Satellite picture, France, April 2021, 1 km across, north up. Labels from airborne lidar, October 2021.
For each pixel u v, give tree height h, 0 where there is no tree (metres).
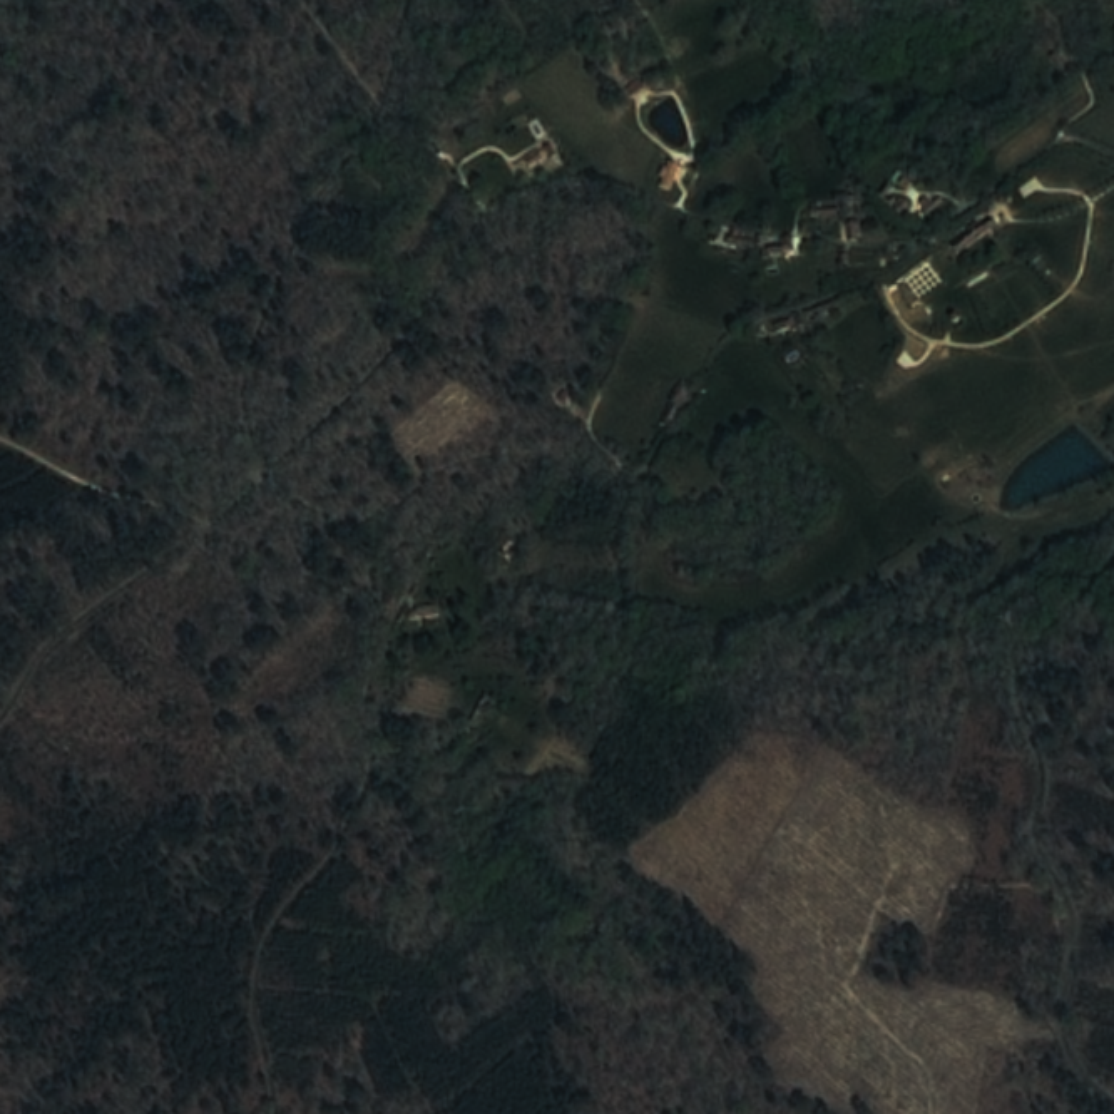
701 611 10
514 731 0
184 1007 17
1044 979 21
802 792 0
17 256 30
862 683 15
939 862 0
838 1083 0
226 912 15
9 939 10
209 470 22
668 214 0
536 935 14
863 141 25
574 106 0
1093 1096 15
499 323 23
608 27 11
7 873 8
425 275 20
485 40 16
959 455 0
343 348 12
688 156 0
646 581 0
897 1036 0
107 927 15
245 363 27
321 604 21
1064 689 27
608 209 18
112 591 26
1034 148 0
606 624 17
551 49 11
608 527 24
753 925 0
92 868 13
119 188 8
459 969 12
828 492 22
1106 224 0
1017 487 0
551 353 9
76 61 12
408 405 13
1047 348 0
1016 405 0
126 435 7
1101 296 0
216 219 11
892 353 9
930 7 23
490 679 7
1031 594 19
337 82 16
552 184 17
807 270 0
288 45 13
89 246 15
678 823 0
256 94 12
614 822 12
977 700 7
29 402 25
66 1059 10
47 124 13
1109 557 17
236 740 26
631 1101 8
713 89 0
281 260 15
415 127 21
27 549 25
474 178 10
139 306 20
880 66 27
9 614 17
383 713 8
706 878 0
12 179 10
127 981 8
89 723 6
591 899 15
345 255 26
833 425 18
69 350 12
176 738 7
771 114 18
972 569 23
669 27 0
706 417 0
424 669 0
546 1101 13
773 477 28
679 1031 20
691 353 0
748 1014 17
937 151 23
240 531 12
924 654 9
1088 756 13
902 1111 0
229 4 12
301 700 14
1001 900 6
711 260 0
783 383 0
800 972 0
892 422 0
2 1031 7
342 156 11
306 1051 10
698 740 9
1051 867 15
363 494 13
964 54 13
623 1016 16
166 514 12
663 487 15
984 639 17
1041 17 14
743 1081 9
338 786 16
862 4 20
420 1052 12
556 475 23
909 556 0
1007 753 19
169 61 12
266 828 9
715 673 23
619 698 11
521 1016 11
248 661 16
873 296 7
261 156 17
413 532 18
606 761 13
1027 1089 17
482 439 14
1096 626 8
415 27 13
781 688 12
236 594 8
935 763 8
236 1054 15
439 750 22
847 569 0
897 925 11
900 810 0
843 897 0
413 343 20
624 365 0
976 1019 0
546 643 9
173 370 11
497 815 12
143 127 17
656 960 29
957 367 0
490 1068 10
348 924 12
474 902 21
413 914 21
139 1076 0
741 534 25
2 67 16
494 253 18
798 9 24
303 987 10
